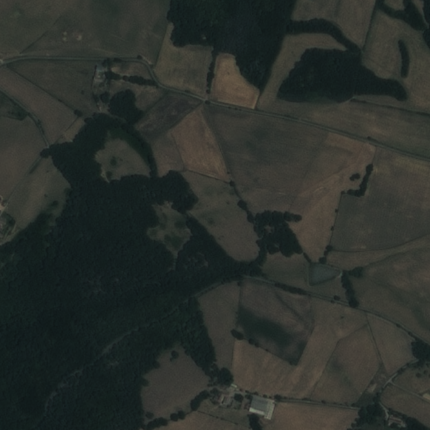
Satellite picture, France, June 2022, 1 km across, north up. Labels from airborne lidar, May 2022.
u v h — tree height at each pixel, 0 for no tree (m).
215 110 0
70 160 20
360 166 0
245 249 0
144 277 19
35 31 0
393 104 0
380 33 0
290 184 0
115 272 22
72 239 22
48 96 0
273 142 0
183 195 12
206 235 17
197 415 0
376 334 0
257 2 17
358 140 0
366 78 15
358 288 0
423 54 0
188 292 14
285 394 0
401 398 0
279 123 0
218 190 0
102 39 0
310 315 0
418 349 18
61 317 9
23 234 6
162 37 0
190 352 12
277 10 21
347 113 0
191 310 11
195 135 0
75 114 13
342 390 0
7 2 0
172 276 20
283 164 0
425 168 0
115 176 0
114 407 6
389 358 0
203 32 17
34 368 24
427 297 0
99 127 17
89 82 0
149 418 10
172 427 0
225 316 0
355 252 0
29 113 6
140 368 12
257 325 0
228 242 0
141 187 14
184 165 0
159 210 0
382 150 0
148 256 19
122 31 0
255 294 0
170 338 11
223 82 0
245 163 0
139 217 17
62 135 0
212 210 0
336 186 0
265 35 18
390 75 0
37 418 14
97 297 16
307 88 9
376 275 0
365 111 0
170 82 0
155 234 0
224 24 17
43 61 0
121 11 0
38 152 0
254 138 0
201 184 0
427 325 0
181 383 0
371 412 15
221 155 0
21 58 0
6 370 12
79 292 19
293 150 0
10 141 0
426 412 0
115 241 19
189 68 0
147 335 13
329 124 0
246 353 0
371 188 0
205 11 16
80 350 7
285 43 0
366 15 0
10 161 0
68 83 0
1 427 20
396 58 0
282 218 12
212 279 17
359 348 0
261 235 9
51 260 15
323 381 0
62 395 8
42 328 22
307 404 0
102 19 0
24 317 21
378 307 0
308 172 0
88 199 19
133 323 13
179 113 0
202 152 0
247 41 16
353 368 0
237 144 0
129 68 0
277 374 0
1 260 11
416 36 0
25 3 0
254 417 14
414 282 0
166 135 0
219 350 0
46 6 0
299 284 0
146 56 0
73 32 0
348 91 15
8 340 18
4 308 18
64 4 0
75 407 14
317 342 0
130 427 10
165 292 20
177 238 0
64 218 7
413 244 0
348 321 0
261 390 0
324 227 0
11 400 21
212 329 0
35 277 23
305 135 0
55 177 0
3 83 0
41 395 7
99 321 16
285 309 0
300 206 0
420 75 0
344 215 0
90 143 17
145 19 0
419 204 0
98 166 19
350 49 12
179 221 0
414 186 0
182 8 14
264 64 17
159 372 0
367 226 0
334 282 0
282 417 0
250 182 0
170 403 0
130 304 28
